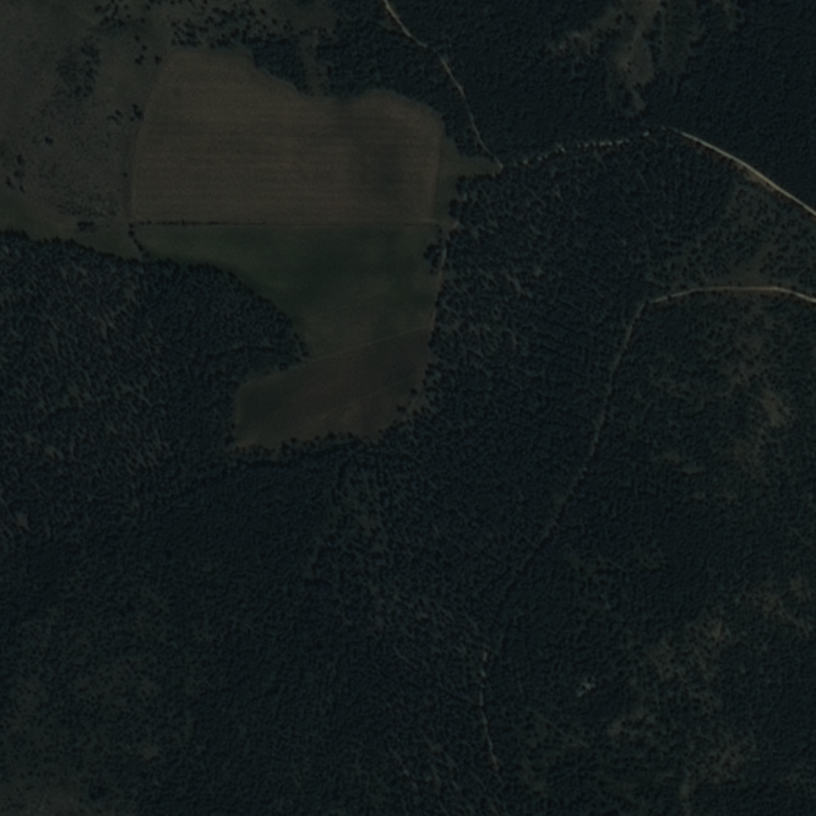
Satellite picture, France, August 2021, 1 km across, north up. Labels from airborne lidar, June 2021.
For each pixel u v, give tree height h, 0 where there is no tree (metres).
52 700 6
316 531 13
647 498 9
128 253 0
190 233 0
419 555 12
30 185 0
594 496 10
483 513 14
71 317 15
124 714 6
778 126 14
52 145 10
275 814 9
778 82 14
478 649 8
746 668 9
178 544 8
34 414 14
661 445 9
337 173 0
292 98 0
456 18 13
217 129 0
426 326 0
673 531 11
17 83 0
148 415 9
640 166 12
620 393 9
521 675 7
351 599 11
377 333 0
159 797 7
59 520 12
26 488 12
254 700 8
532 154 12
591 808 12
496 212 10
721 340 7
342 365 0
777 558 6
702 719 7
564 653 7
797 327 6
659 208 9
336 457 12
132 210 0
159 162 0
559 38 12
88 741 6
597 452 9
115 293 11
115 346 11
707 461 9
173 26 9
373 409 0
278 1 0
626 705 7
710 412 7
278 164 0
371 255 0
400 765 8
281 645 13
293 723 7
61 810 0
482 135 10
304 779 6
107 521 14
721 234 8
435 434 11
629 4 0
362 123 0
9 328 13
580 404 10
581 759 9
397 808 6
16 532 14
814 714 10
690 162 10
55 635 6
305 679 9
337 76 11
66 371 9
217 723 10
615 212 7
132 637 7
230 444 12
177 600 7
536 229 11
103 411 11
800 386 9
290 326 12
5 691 6
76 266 15
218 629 8
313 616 7
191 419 11
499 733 10
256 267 0
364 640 12
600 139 11
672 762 8
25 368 14
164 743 6
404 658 12
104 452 13
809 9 14
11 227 0
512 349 10
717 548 8
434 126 0
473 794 12
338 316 0
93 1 0
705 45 14
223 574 6
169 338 15
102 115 0
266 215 0
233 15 9
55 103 0
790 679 10
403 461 12
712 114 12
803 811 11
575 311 8
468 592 10
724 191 8
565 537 9
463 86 10
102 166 0
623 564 11
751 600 8
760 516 7
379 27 6
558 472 14
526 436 13
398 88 10
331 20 0
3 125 0
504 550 12
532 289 14
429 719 12
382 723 13
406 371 0
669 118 13
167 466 14
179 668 6
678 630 7
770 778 9
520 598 12
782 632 10
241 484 12
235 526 16
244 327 13
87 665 7
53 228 0
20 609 15
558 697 6
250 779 7
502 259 12
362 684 12
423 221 0
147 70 0
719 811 6
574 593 6
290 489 15
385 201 0
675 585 11
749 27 11
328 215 0
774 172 12
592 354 10
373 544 12
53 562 8
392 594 11
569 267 10
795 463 7
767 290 0
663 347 8
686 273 7
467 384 14
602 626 10
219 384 14
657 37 11
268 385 0
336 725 9
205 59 0
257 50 14
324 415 0
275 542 18
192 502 14
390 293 0
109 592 8
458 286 9
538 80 12
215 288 13
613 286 10
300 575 13
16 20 0
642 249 10
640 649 10
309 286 0
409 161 0
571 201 11
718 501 7
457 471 14
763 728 8
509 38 12
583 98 10
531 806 13
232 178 0
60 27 0
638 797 10
